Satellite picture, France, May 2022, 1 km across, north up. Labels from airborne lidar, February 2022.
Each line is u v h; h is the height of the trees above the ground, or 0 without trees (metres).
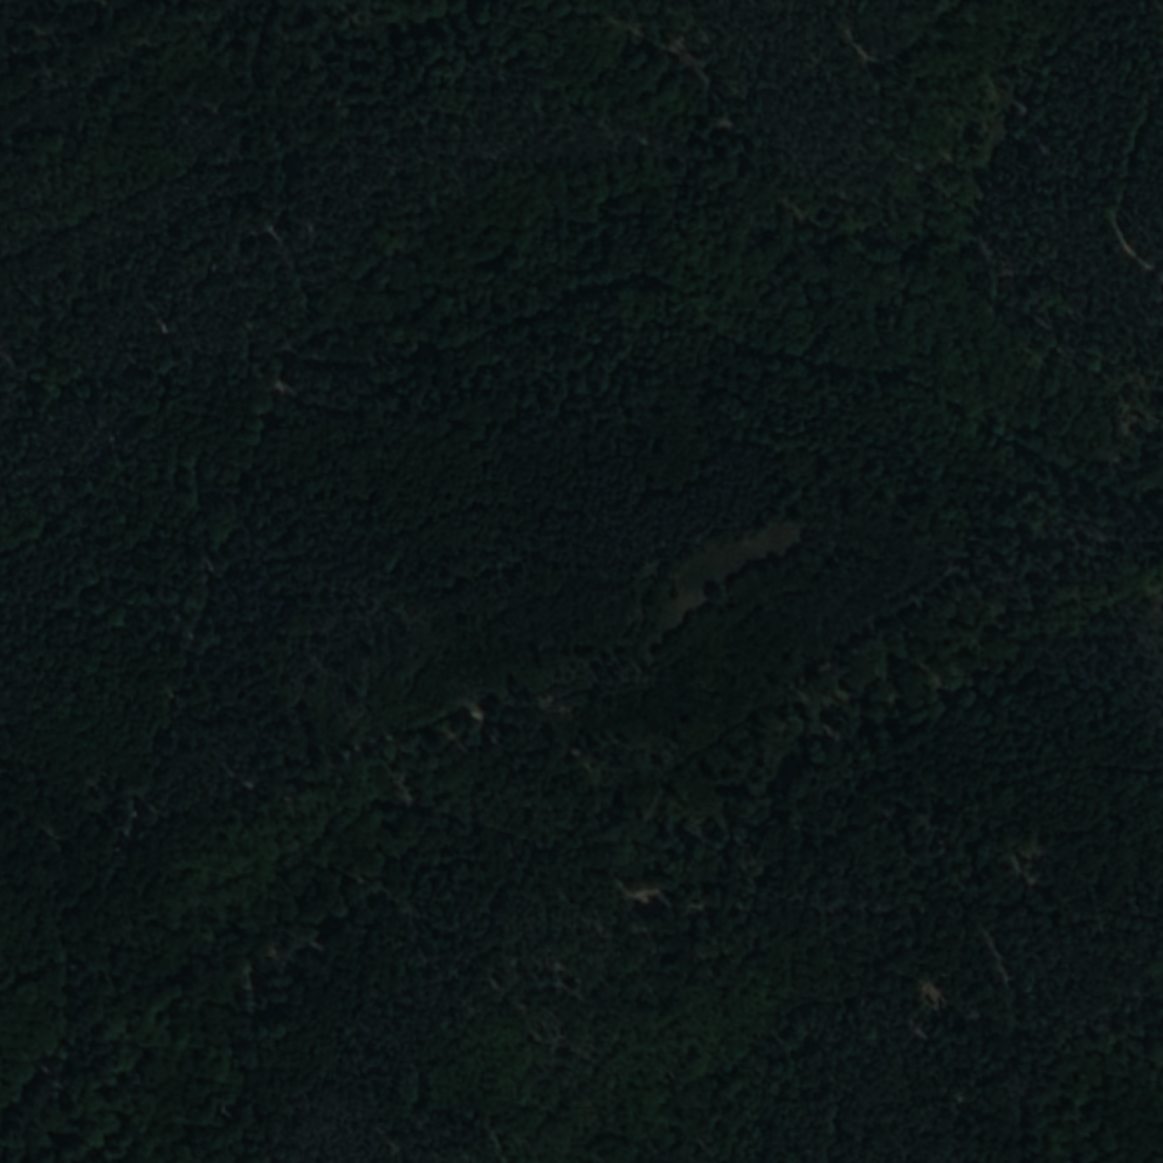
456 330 32
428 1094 26
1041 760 28
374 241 24
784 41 28
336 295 29
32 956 33
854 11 15
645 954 28
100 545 34
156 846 28
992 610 35
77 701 26
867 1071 26
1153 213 19
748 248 37
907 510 26
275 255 25
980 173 0
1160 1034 47
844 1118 27
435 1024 25
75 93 11
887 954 25
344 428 22
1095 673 37
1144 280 25
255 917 37
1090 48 31
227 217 26
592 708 6
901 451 32
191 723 28
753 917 23
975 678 39
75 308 26
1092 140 29
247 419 29
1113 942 23
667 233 32
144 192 24
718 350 30
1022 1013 22
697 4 31
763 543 0
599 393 24
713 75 7
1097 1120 31
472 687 7
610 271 32
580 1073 13
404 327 35
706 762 9
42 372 28
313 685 26
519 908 25
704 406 25
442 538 26
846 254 34
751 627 7
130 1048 33
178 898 31
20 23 15
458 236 27
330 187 25
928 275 31
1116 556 26
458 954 26
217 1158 38
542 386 35
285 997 38
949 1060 21
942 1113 26
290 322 24
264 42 26
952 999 23
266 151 27
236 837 24
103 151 23
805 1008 25
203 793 25
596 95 27
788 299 35
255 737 10
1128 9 26
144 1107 31
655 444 29
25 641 23
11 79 25
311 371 38
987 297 29
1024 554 40
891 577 12
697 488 33
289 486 31
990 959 23
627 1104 25
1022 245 29
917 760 32
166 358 22
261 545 27
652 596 13
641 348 30
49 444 24
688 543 27
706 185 28
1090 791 28
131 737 27
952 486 31
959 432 30
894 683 37
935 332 36
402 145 23
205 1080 34
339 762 22
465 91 25
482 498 24
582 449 25
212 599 29
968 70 31
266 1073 33
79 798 27
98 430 29
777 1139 26
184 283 25
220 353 24
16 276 24
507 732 26
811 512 13
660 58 32
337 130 19
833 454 22
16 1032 31
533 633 13
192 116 27
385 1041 27
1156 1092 34
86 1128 36
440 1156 22
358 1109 22
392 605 10
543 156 10
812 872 27
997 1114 26
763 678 6
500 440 26
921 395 27
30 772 27
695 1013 24
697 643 9
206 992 32
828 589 7
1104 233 24
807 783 31
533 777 28
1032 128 7
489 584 16
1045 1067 25
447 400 31
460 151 25
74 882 28
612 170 28
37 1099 42
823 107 28
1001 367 37
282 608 27
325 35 9
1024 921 23
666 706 10
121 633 23
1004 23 33
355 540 30
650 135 10
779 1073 25
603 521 26
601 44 32
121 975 33
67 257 26
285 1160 20
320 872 37
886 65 12
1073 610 30
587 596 12
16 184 25
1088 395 30
